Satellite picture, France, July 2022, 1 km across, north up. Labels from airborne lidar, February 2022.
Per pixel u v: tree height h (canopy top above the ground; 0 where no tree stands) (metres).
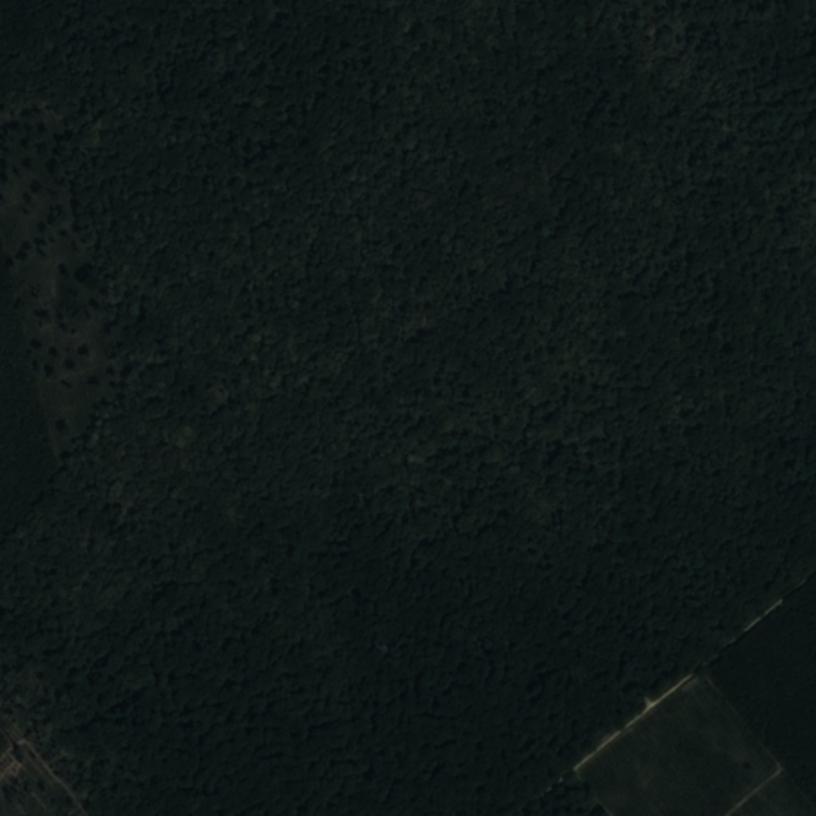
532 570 23
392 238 22
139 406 22
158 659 30
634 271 23
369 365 24
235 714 27
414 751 28
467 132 23
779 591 11
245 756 31
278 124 23
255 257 23
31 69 21
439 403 20
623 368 20
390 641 25
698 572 22
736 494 23
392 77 22
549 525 17
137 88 21
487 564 26
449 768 29
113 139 18
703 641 23
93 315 19
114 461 19
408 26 20
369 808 25
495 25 20
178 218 18
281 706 32
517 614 30
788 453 25
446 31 22
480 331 24
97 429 21
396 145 20
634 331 23
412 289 21
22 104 20
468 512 23
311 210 18
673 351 23
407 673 15
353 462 22
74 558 23
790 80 27
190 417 22
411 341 23
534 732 28
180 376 24
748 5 22
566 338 19
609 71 28
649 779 27
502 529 24
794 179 8
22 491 10
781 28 23
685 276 25
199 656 27
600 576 27
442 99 23
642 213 22
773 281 21
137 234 21
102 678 26
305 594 21
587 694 26
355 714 22
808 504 24
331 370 20
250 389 20
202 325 22
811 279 23
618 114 25
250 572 25
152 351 17
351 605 26
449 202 21
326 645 23
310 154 25
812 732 8
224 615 20
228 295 20
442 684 28
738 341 25
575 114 21
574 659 23
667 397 25
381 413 22
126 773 24
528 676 26
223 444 9
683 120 23
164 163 22
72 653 27
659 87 19
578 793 27
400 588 26
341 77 23
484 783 28
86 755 22
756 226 25
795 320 18
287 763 29
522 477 23
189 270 18
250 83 25
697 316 21
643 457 23
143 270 21
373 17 22
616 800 0
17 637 26
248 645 26
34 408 12
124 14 21
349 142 23
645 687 19
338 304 20
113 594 22
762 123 26
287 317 23
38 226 0
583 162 27
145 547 25
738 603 23
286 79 25
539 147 26
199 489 22
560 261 21
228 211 21
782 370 19
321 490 21
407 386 20
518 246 22
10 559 22
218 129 23
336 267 20
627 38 9
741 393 22
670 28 26
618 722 25
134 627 12
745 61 25
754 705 8
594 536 20
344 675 15
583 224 17
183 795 31
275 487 23
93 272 24
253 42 18
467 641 28
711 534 27
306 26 25
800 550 19
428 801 31
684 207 20
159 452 23
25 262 22
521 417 19
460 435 14
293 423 21
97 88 23
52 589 20
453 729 27
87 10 22
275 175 26
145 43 24
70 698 24
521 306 24
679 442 26
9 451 11
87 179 20
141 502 20
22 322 6
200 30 23
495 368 20
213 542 22
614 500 20
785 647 9
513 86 23
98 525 25
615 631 28
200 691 31
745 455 18
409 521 22
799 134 29
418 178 22
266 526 25
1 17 27
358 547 29
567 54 24
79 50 23
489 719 30
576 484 21
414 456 24
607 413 25
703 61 11
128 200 19
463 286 20
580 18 22
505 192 22
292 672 18
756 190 24
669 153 20
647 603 27
